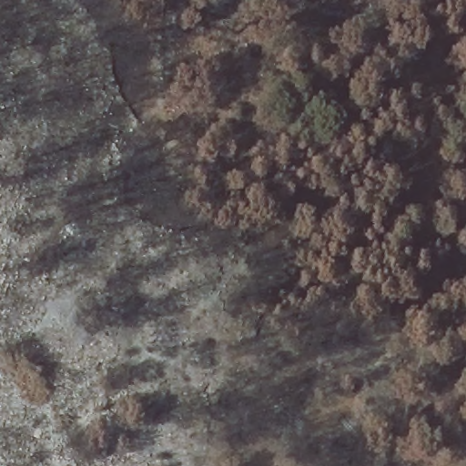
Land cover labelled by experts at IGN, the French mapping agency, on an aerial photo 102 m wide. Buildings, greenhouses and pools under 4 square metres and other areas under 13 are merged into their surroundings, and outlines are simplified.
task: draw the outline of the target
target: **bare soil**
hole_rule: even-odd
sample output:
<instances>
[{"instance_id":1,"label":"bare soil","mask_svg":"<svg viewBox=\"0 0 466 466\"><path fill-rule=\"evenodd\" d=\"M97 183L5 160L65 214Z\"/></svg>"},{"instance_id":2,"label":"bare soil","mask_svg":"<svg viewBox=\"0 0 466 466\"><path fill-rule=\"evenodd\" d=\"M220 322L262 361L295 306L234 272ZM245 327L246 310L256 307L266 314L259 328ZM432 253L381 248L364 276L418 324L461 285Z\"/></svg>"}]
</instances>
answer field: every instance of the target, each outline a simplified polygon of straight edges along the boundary
<instances>
[{"instance_id":1,"label":"bare soil","mask_svg":"<svg viewBox=\"0 0 466 466\"><path fill-rule=\"evenodd\" d=\"M266 320L237 322L237 319L224 313L224 304L228 304L229 297L233 293L240 293L251 280L246 260L235 253L228 253L226 257L215 257L213 248L206 248L202 242L198 242L195 231L187 222L175 220L173 217L177 198L184 198L184 177L195 178L195 167L202 167L204 162L202 158L197 157L198 140L211 124L218 122L217 113L211 113L217 102L209 89L209 66L197 64L198 55L191 51L189 44L195 38L198 29L206 25L208 18L200 16L197 24L189 22L189 27L182 27L182 13L175 11L162 22L151 25L144 46L135 46L131 44L131 40L127 40L120 29L102 20L104 0L0 0L0 466L73 466L73 448L69 448L67 441L80 431L89 433L100 428L102 417L109 420L111 415L116 415L120 411L113 406L113 400L124 399L127 395L135 395L135 400L140 404L138 413L142 417L142 424L135 431L133 441L118 437L115 453L100 457L95 466L357 466L353 453L355 433L359 433L364 430L364 426L377 420L371 406L366 404L366 399L388 397L391 388L399 384L400 377L406 371L417 375L424 362L417 359L417 349L411 348L410 337L406 337L406 331L397 326L395 320L391 320L386 328L375 331L368 348L339 351L320 337L317 329L306 329L299 340L289 339L284 333L268 331ZM13 355L24 355L27 362L42 368L40 377L44 379L47 390L55 391L53 399L46 404L35 404L20 397L20 390L11 377Z\"/></svg>"}]
</instances>

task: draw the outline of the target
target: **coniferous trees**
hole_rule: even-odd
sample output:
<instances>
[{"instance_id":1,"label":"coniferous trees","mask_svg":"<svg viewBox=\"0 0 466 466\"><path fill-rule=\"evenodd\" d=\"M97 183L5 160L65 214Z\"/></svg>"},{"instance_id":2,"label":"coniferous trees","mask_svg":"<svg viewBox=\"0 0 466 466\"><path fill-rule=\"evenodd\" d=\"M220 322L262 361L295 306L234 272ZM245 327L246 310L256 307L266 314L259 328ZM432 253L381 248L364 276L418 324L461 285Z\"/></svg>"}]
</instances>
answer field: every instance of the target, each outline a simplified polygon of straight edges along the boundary
<instances>
[{"instance_id":1,"label":"coniferous trees","mask_svg":"<svg viewBox=\"0 0 466 466\"><path fill-rule=\"evenodd\" d=\"M11 377L20 390L20 397L35 404L46 404L53 399L55 391L47 390L44 379L40 377L42 368L27 362L24 355L13 355Z\"/></svg>"},{"instance_id":2,"label":"coniferous trees","mask_svg":"<svg viewBox=\"0 0 466 466\"><path fill-rule=\"evenodd\" d=\"M142 424L142 417L138 413L140 404L135 400L135 395L127 395L124 399L113 400L113 406L120 411L116 415L111 415L109 420L102 417L100 428L89 433L80 431L67 441L69 448L73 448L73 466L95 466L100 457L115 453L118 437L133 441L135 431Z\"/></svg>"},{"instance_id":3,"label":"coniferous trees","mask_svg":"<svg viewBox=\"0 0 466 466\"><path fill-rule=\"evenodd\" d=\"M240 293L233 293L229 297L228 304L224 304L224 313L237 319L237 322L266 320L268 331L284 333L289 339L299 340L306 329L317 329L320 337L339 351L368 348L375 331L386 328L391 320L395 320L397 326L406 331L406 337L410 337L411 348L417 349L417 359L424 362L417 375L406 371L400 377L399 384L391 388L388 397L366 399L366 404L371 406L377 420L364 426L364 430L359 433L355 433L353 453L357 466L466 466L466 0L104 0L102 20L120 29L127 40L131 40L131 44L135 46L144 46L151 25L162 22L175 11L182 13L182 27L189 27L189 22L197 24L200 16L208 18L206 25L198 29L195 38L189 44L191 51L198 55L197 64L209 66L209 89L217 102L211 113L217 113L218 122L211 124L198 140L197 157L202 158L204 162L202 167L195 167L195 178L184 177L184 198L177 198L173 217L175 220L187 222L195 231L198 242L202 242L206 248L213 248L215 257L226 257L228 253L235 253L246 260L251 280Z\"/></svg>"}]
</instances>

